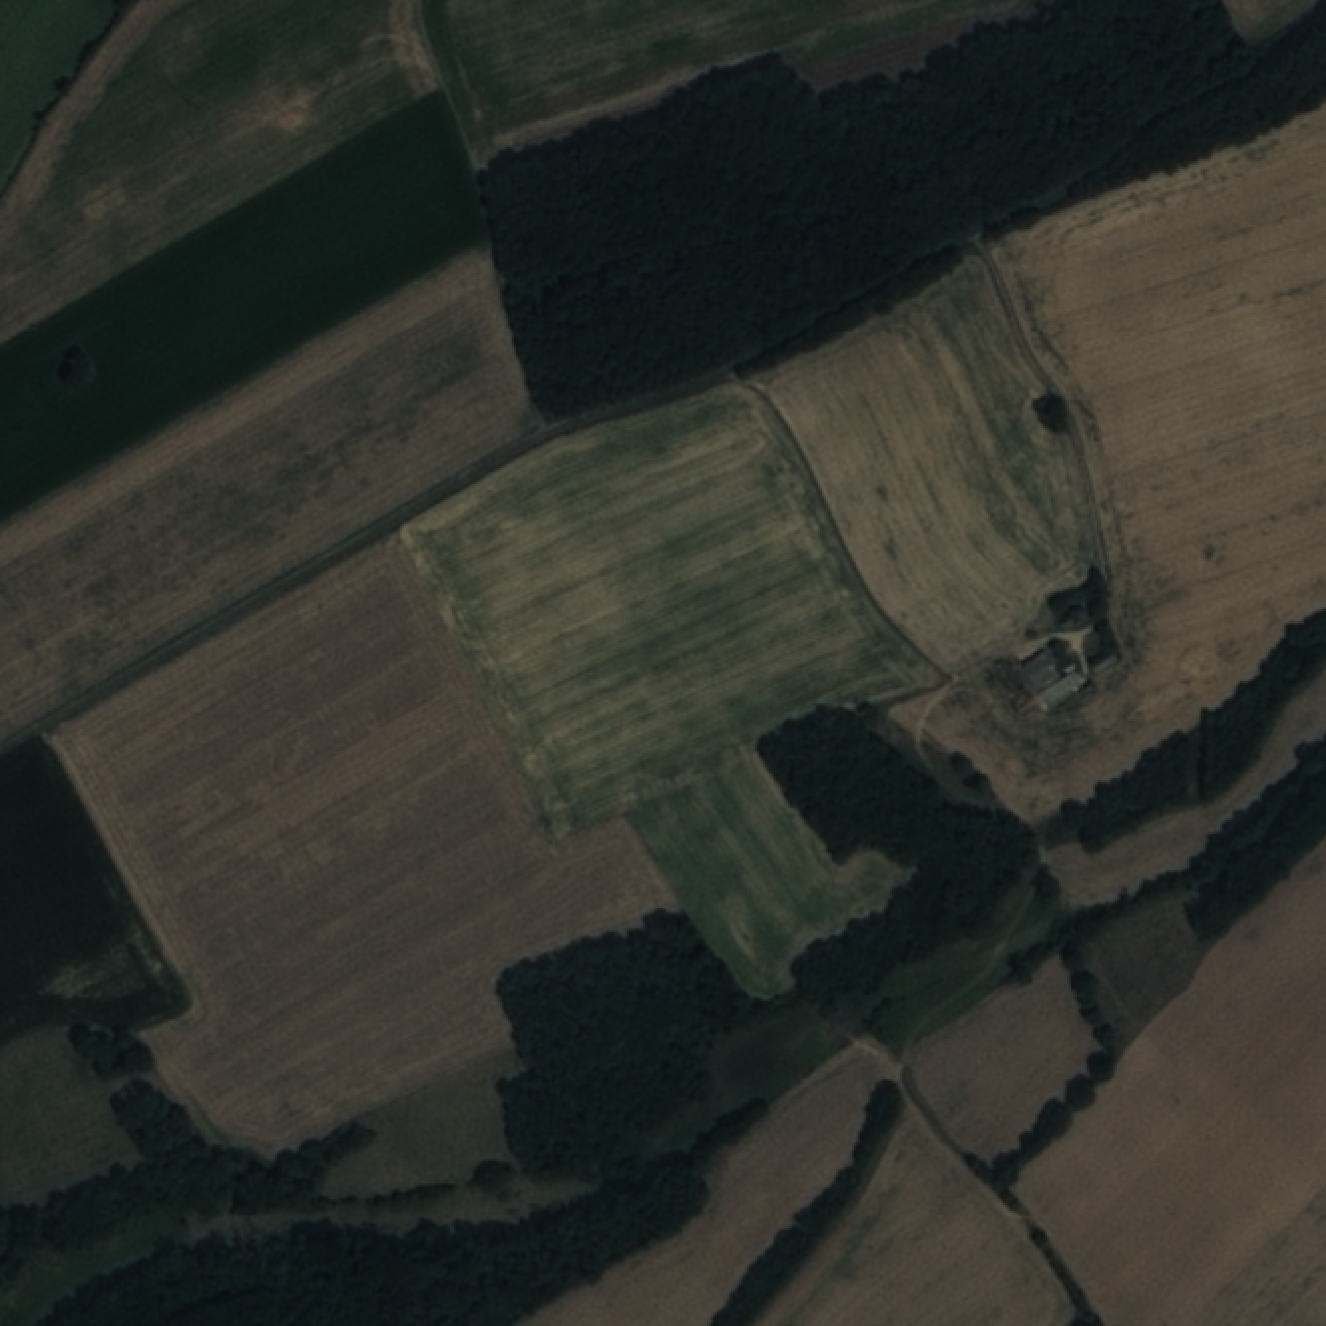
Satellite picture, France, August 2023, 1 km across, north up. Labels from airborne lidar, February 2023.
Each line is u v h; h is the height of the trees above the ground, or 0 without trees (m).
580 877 0
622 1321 0
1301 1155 0
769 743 11
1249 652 0
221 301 0
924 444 0
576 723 0
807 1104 0
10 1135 0
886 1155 0
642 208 19
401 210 0
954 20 0
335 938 0
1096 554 0
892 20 0
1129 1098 0
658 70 0
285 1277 21
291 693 0
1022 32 18
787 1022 0
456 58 0
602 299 20
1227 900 19
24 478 0
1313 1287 0
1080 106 15
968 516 0
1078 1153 0
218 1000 0
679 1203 22
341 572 0
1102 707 0
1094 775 0
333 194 0
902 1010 0
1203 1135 0
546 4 0
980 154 23
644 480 0
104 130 0
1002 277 0
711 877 0
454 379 0
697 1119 0
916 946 8
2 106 0
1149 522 0
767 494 0
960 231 16
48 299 0
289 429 0
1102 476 0
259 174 0
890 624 0
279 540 0
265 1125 0
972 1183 0
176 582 0
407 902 0
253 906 0
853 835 17
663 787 0
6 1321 0
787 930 0
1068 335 0
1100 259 0
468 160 0
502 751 0
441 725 0
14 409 0
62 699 0
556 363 17
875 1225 0
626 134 18
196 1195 26
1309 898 0
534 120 0
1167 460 0
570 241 21
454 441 0
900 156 22
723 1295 0
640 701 0
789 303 21
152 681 0
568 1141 24
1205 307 0
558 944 0
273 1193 26
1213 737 15
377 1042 0
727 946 0
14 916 0
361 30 0
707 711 0
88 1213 24
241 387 0
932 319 0
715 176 24
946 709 0
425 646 0
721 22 0
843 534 0
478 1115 0
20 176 0
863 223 21
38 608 0
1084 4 18
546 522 0
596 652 0
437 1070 0
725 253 22
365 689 0
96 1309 21
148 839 0
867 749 17
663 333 22
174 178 0
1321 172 0
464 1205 0
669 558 0
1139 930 0
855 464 0
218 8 0
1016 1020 0
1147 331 0
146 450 0
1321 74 19
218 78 0
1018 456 0
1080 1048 0
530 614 0
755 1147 0
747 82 17
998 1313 0
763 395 0
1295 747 0
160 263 0
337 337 0
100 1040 16
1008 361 0
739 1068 0
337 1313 19
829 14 0
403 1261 27
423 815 0
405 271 0
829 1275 0
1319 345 0
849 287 17
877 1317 0
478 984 0
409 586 0
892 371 0
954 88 17
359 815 0
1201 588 0
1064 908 0
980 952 0
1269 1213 0
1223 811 0
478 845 0
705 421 0
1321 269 0
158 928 0
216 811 0
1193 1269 0
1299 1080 0
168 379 0
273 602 0
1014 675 0
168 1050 0
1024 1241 0
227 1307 14
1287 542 0
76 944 0
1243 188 0
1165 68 26
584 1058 25
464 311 0
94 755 0
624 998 24
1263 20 0
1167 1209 0
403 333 0
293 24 0
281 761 0
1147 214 0
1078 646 0
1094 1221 0
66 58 0
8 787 0
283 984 0
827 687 0
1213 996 0
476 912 0
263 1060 0
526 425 0
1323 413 0
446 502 0
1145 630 0
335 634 0
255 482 0
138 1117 18
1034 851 22
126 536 0
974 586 0
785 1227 0
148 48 0
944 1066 0
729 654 0
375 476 0
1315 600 0
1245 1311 0
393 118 0
